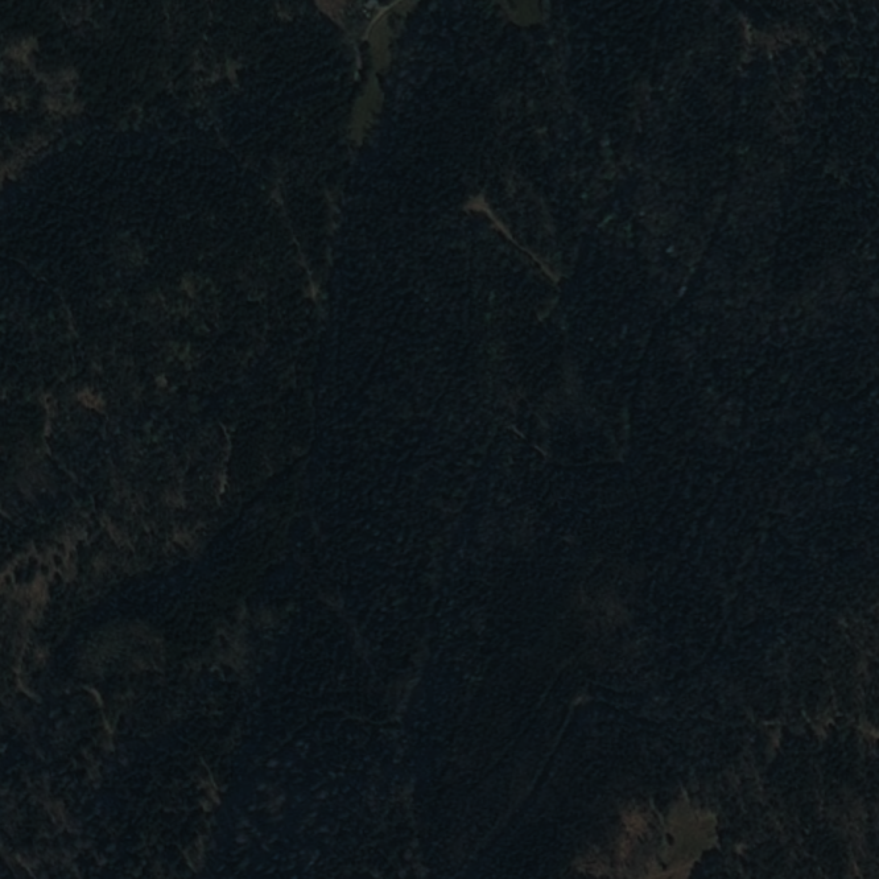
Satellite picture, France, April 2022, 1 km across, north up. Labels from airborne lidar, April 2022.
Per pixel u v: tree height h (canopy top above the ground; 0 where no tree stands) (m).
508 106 26
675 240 30
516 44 21
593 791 19
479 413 21
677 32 27
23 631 17
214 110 24
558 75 28
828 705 22
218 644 14
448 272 24
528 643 12
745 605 25
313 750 23
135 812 21
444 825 21
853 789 33
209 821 11
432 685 8
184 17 23
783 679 18
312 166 30
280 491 17
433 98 26
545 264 6
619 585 23
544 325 8
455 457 21
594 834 20
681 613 26
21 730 13
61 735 24
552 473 15
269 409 27
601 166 27
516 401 15
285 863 29
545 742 18
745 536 26
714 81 28
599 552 17
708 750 25
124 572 20
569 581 14
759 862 28
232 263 26
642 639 31
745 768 22
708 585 27
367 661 18
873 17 32
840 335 25
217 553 21
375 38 0
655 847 16
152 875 20
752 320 30
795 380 25
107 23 25
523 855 21
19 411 26
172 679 22
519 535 22
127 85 30
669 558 28
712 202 28
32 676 20
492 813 18
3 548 16
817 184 32
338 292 27
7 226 35
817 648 17
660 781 23
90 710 15
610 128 28
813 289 28
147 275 26
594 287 21
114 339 30
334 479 17
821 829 28
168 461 26
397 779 18
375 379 32
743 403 29
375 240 25
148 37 27
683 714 31
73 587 20
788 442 24
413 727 19
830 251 27
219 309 21
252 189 27
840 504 24
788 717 24
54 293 20
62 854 23
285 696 21
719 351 29
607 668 17
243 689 15
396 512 28
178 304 27
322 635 23
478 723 18
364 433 26
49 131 19
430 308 21
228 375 25
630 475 24
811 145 33
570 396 28
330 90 32
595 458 20
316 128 35
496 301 23
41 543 18
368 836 24
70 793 19
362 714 18
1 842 33
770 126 22
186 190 31
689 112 25
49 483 15
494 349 20
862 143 39
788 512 20
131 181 33
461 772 20
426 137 23
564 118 25
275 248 25
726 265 26
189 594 21
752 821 20
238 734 23
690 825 0
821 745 26
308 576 15
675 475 27
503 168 25
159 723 14
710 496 22
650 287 24
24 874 14
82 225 26
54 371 27
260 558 20
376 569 26
